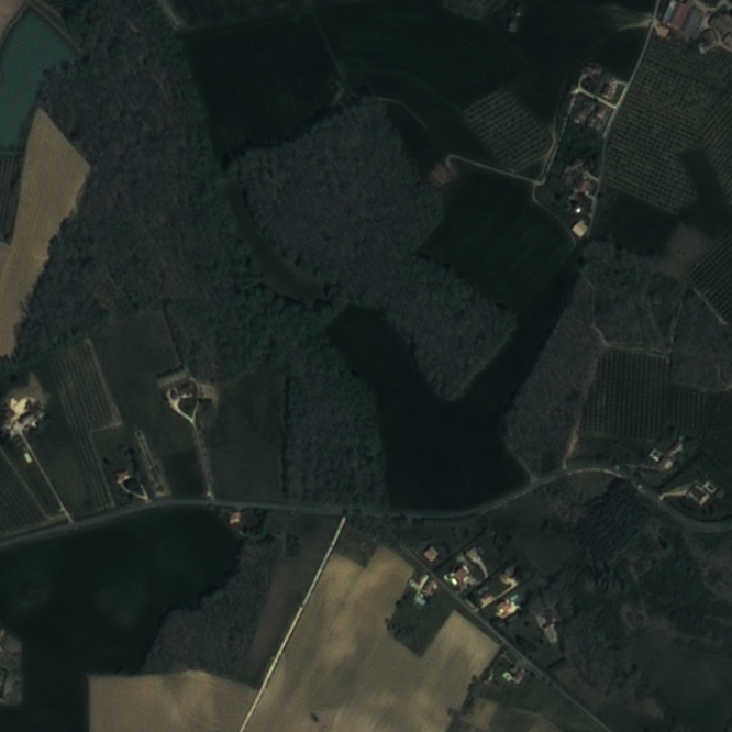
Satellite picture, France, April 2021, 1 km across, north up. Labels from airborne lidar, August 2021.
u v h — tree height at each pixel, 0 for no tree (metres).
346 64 0
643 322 18
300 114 0
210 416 0
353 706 0
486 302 20
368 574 0
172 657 21
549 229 0
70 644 0
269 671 0
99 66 16
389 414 0
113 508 0
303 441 18
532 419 18
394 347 0
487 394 0
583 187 0
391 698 0
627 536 19
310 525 0
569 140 8
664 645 0
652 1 0
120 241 20
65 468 0
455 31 0
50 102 18
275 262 0
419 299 21
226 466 0
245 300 23
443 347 16
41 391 0
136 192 17
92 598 0
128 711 0
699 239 0
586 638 24
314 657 0
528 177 0
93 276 25
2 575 0
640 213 0
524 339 0
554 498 12
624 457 6
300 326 24
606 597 12
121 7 19
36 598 0
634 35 0
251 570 21
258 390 0
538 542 0
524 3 0
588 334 16
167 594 0
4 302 0
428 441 0
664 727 0
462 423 0
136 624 0
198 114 24
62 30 0
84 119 15
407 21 0
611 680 18
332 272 19
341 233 17
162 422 0
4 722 0
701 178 0
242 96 0
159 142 16
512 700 0
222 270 17
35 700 0
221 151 0
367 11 0
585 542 19
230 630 25
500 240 0
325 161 21
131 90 15
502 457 0
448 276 21
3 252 0
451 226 0
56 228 0
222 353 23
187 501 0
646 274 15
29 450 0
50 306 14
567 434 19
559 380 17
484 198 0
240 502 0
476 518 8
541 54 0
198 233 23
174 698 0
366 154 17
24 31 0
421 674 0
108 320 21
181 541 0
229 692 0
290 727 0
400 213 18
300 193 21
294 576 0
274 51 0
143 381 0
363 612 0
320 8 0
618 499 18
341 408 25
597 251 21
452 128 0
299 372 26
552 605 17
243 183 21
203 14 0
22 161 11
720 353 17
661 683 0
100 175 17
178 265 17
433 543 6
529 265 0
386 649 0
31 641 0
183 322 16
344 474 21
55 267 16
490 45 0
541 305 0
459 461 0
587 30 0
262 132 0
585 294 16
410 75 0
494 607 5
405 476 0
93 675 0
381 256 19
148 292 16
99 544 0
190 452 0
